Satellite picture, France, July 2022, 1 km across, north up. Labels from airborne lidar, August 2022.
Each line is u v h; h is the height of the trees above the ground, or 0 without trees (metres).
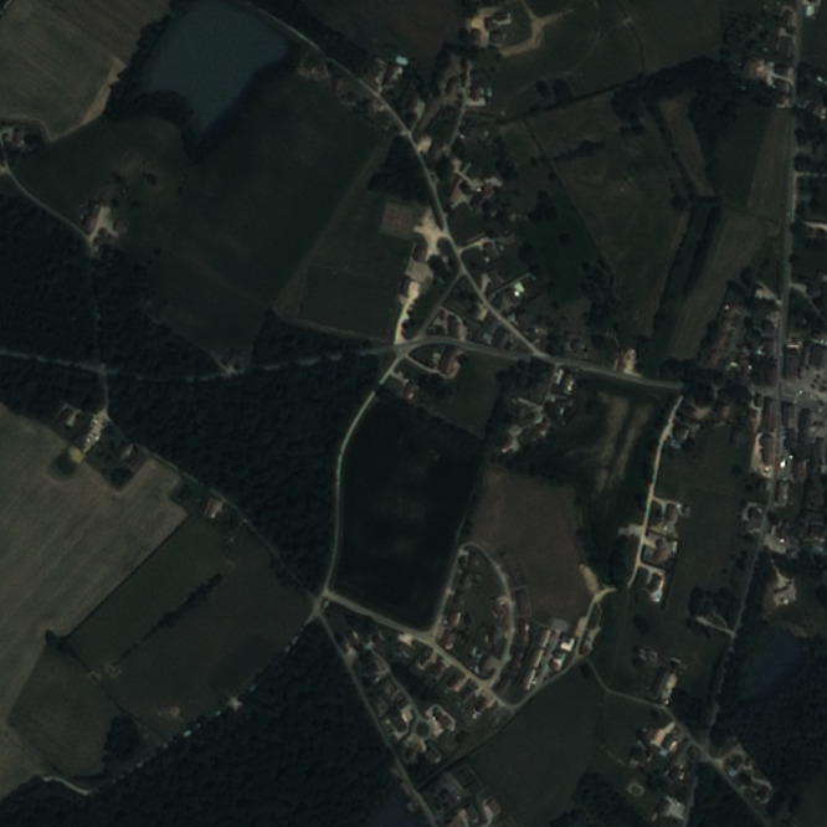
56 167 0
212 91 0
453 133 0
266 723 22
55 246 15
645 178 0
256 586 0
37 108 0
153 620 0
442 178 14
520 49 0
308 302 0
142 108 16
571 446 0
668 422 7
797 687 27
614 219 0
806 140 11
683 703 14
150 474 0
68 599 0
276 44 0
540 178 0
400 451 0
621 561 21
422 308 0
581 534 10
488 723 0
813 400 0
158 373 18
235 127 19
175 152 0
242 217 0
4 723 0
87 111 0
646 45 0
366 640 0
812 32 0
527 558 0
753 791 0
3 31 0
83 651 0
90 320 19
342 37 17
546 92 18
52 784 8
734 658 16
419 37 0
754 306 13
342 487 0
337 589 0
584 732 0
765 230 0
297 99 0
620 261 0
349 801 17
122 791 11
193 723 0
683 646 0
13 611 0
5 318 16
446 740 0
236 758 11
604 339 11
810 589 0
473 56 12
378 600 0
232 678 0
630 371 0
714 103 20
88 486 0
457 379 0
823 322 11
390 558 0
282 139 0
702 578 0
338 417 23
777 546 0
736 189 0
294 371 18
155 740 0
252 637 0
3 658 0
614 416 0
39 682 0
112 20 0
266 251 0
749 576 0
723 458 0
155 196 0
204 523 0
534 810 0
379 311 0
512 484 0
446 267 17
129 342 26
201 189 0
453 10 0
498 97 0
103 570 0
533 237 0
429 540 0
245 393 21
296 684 25
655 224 0
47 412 16
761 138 0
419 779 6
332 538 11
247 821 17
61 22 0
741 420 6
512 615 0
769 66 0
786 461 0
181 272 0
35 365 16
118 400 17
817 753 20
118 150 0
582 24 0
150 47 15
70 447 0
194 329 0
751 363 8
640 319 0
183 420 17
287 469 18
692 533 0
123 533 0
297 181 0
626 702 0
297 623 0
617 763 0
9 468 0
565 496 0
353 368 23
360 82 0
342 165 0
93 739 0
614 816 6
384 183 12
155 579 0
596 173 0
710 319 0
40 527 0
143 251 0
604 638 0
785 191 0
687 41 0
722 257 0
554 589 0
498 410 12
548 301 0
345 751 22
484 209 9
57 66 0
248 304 0
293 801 19
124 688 0
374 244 0
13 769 0
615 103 11
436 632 0
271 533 19
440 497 0
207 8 0
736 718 26
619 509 0
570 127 0
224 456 16
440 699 6
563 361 0
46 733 0
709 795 18
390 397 15
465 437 17
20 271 17
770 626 9
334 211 0
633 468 0
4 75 0
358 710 16
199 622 0
